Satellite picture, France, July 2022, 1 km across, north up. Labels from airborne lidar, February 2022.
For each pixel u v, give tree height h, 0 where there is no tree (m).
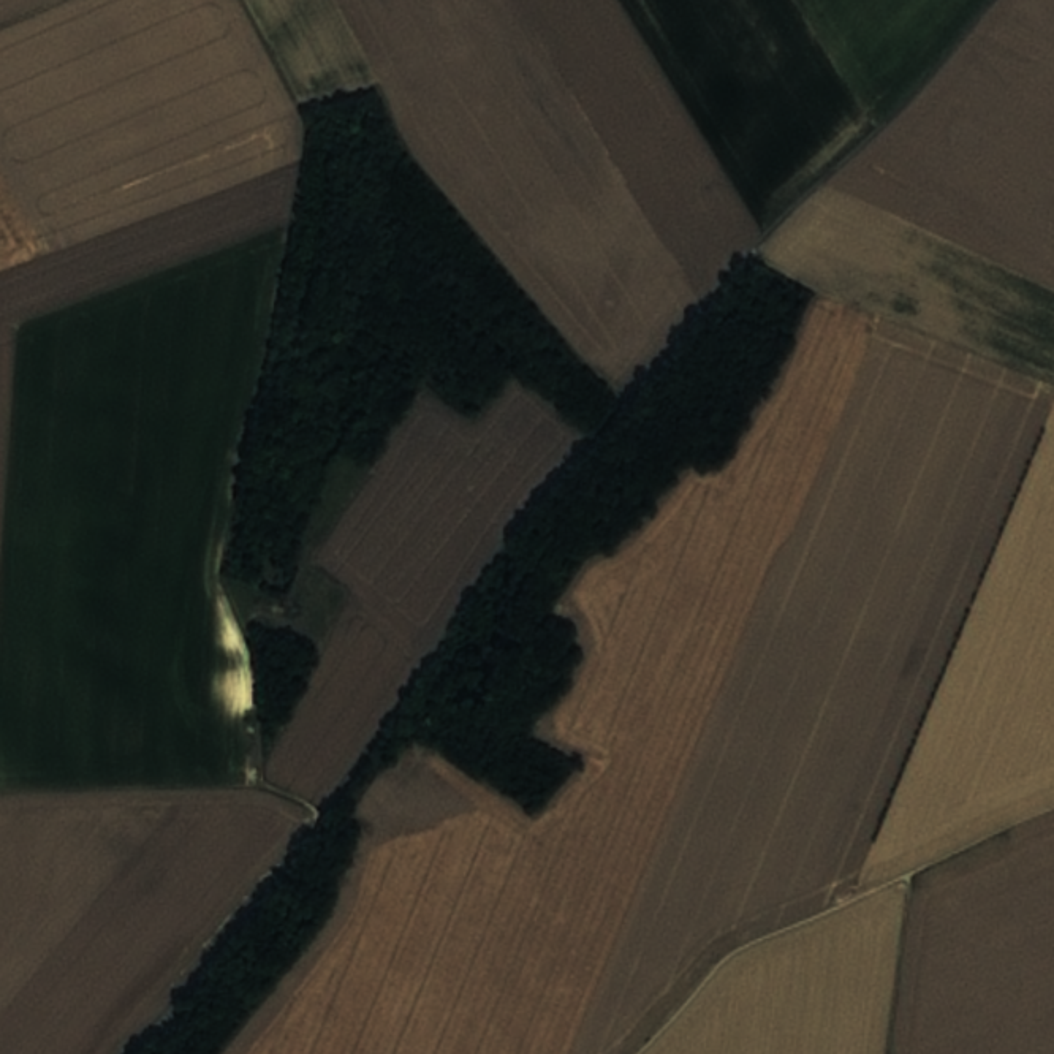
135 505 0
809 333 0
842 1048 0
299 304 8
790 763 0
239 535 15
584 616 0
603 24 0
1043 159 0
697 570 0
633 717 0
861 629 0
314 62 0
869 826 0
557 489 18
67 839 0
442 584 0
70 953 0
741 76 0
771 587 0
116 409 0
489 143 0
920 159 0
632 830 0
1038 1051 0
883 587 0
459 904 0
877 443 0
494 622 6
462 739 18
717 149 0
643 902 0
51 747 0
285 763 0
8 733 0
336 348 13
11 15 0
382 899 0
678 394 19
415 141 0
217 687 0
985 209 0
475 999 0
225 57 0
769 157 0
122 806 0
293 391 16
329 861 20
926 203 0
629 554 0
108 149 0
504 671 21
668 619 0
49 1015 0
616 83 0
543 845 0
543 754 7
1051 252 0
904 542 0
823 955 0
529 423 0
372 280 17
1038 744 0
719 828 0
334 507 0
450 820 0
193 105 0
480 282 16
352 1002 0
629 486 23
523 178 0
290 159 0
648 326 0
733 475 0
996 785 0
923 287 0
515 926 0
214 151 0
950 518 0
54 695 0
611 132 0
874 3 0
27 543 0
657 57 0
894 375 0
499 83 0
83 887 0
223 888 0
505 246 0
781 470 0
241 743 0
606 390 12
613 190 0
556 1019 0
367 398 15
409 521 0
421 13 0
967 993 0
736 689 0
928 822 0
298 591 0
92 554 0
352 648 0
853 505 0
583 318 0
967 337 0
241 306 0
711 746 0
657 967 0
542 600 21
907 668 0
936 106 0
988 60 0
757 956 0
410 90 0
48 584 0
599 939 0
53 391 0
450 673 20
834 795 0
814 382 0
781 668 0
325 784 0
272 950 20
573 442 0
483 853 0
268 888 14
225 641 0
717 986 0
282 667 20
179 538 0
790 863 0
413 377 18
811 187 0
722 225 0
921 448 0
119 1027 0
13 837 0
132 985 0
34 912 0
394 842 0
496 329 21
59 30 0
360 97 11
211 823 0
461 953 0
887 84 0
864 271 0
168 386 0
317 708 0
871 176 0
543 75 0
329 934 0
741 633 0
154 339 0
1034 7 0
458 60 0
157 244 0
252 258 0
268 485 13
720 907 0
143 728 0
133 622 0
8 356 0
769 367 21
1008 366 0
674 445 24
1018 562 0
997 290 0
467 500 0
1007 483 0
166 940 0
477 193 0
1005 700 0
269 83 0
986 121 0
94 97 0
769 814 0
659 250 0
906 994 0
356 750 0
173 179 0
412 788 0
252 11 0
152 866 0
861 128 0
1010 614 0
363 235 22
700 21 0
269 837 0
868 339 0
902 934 0
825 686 0
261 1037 0
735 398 25
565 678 16
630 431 23
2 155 0
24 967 0
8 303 0
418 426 0
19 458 0
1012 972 0
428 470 0
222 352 0
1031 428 0
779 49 0
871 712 0
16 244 0
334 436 12
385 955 0
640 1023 0
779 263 0
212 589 0
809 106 0
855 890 0
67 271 0
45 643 0
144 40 0
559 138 0
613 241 0
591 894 0
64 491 0
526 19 0
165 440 0
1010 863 0
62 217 0
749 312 13
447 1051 0
